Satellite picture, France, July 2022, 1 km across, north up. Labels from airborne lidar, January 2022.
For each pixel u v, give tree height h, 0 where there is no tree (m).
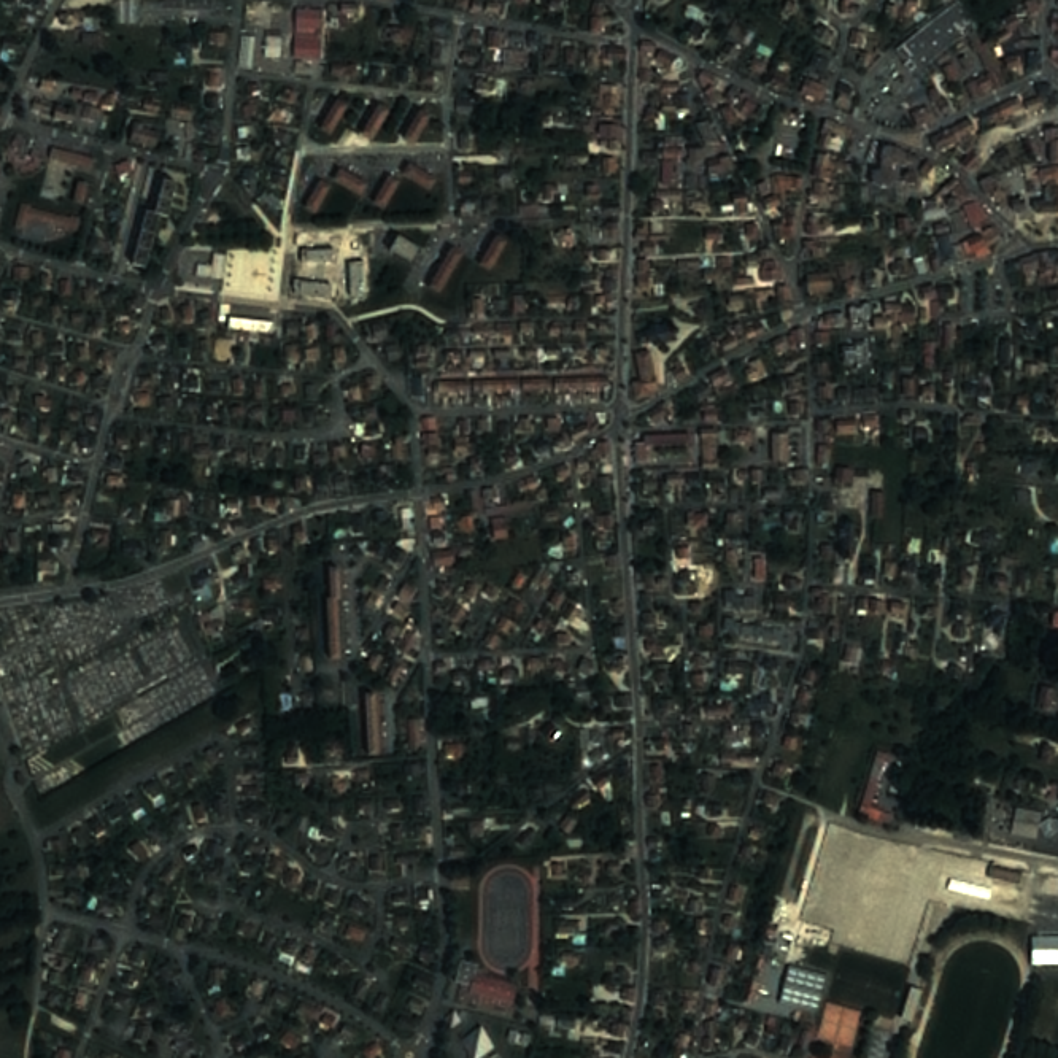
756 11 8
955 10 0
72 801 0
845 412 0
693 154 0
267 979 7
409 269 0
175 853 0
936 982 0
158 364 0
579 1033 0
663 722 0
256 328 0
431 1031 0
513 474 0
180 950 0
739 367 11
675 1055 12
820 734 0
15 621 0
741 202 0
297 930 0
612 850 7
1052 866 0
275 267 0
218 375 0
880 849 0
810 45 7
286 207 0
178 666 0
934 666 0
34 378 0
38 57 0
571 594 7
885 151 0
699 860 12
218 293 0
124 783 0
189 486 8
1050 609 9
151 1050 11
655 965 0
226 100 0
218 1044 0
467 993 0
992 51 0
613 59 0
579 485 0
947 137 0
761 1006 0
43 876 0
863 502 0
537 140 15
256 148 7
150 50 0
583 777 0
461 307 0
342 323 0
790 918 0
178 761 0
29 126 0
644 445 0
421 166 0
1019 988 0
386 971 0
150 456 0
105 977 0
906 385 0
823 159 0
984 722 18
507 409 0
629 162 0
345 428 0
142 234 0
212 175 0
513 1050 0
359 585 7
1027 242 0
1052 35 0
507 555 0
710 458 0
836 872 0
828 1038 0
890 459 0
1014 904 0
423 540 0
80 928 0
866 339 0
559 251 0
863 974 0
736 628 0
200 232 12
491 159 0
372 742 0
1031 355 13
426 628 0
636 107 0
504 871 0
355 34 0
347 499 0
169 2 0
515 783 7
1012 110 0
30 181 0
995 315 0
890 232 0
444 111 0
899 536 0
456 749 0
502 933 0
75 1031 0
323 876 0
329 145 0
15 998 12
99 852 6
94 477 0
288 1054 8
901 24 7
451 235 0
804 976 0
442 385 0
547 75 0
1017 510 0
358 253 0
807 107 0
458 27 0
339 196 0
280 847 0
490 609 0
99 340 0
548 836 9
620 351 0
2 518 0
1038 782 11
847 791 0
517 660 0
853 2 0
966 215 0
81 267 0
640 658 0
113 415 0
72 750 0
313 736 7
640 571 19
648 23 19
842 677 0
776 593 6
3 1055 0
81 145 0
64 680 0
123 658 0
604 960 0
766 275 0
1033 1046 19
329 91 0
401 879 0
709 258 0
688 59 0
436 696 18
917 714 8
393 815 0
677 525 0
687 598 0
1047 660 29
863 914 0
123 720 0
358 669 12
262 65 0
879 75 0
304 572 6
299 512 0
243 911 0
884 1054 0
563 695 8
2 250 0
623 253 0
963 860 0
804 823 0
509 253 0
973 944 0
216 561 0
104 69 23
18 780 8
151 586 0
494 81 0
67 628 0
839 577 0
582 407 0
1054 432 6
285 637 6
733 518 0
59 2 0
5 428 0
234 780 0
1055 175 0
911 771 14
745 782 15
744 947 11
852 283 0
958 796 12
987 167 0
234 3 0
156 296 0
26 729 0
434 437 0
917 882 0
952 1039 0
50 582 0
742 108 0
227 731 0
